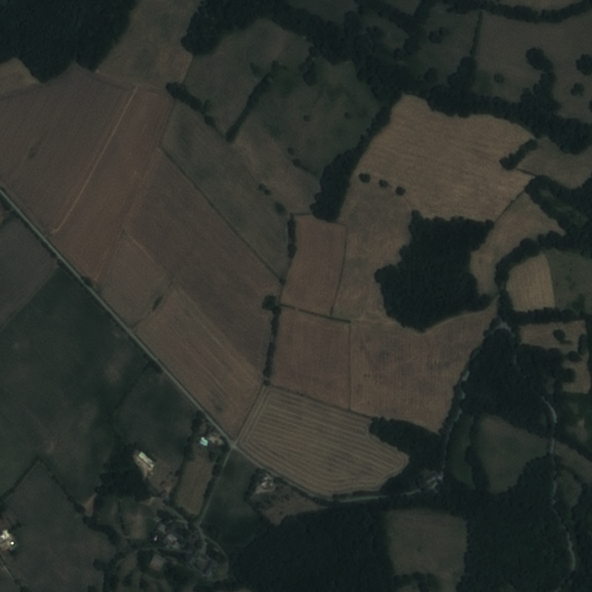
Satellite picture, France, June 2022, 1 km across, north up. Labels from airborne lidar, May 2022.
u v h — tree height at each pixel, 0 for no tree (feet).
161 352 0
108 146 0
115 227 0
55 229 0
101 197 0
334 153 0
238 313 0
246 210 0
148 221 0
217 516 0
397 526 0
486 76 0
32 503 0
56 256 30
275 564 73
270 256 0
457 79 66
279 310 42
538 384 84
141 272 0
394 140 0
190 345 0
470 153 0
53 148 0
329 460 0
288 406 0
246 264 0
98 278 0
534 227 0
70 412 0
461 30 0
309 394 0
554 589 58
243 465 0
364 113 0
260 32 0
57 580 0
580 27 0
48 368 0
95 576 0
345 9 0
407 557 0
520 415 63
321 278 0
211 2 57
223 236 0
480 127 0
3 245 0
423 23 69
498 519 67
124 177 0
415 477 34
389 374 0
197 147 0
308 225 0
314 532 67
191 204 0
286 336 0
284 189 0
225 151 0
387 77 67
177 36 0
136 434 0
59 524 0
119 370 0
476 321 0
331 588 75
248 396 0
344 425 0
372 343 0
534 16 56
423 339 0
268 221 0
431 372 0
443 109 62
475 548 49
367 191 0
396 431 56
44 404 0
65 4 76
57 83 0
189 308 0
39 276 0
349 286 0
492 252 0
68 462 0
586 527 48
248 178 0
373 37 58
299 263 0
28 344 0
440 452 64
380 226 0
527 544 73
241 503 0
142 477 25
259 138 0
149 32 0
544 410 45
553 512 60
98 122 0
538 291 0
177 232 0
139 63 0
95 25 71
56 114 0
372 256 0
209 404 0
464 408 59
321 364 0
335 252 0
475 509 62
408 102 0
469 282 37
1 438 0
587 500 72
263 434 0
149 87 0
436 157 0
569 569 42
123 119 0
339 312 0
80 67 60
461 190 0
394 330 0
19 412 0
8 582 0
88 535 0
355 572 62
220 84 0
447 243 61
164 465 0
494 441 0
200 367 0
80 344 0
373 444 0
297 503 0
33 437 0
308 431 0
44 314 0
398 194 36
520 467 0
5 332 0
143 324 0
